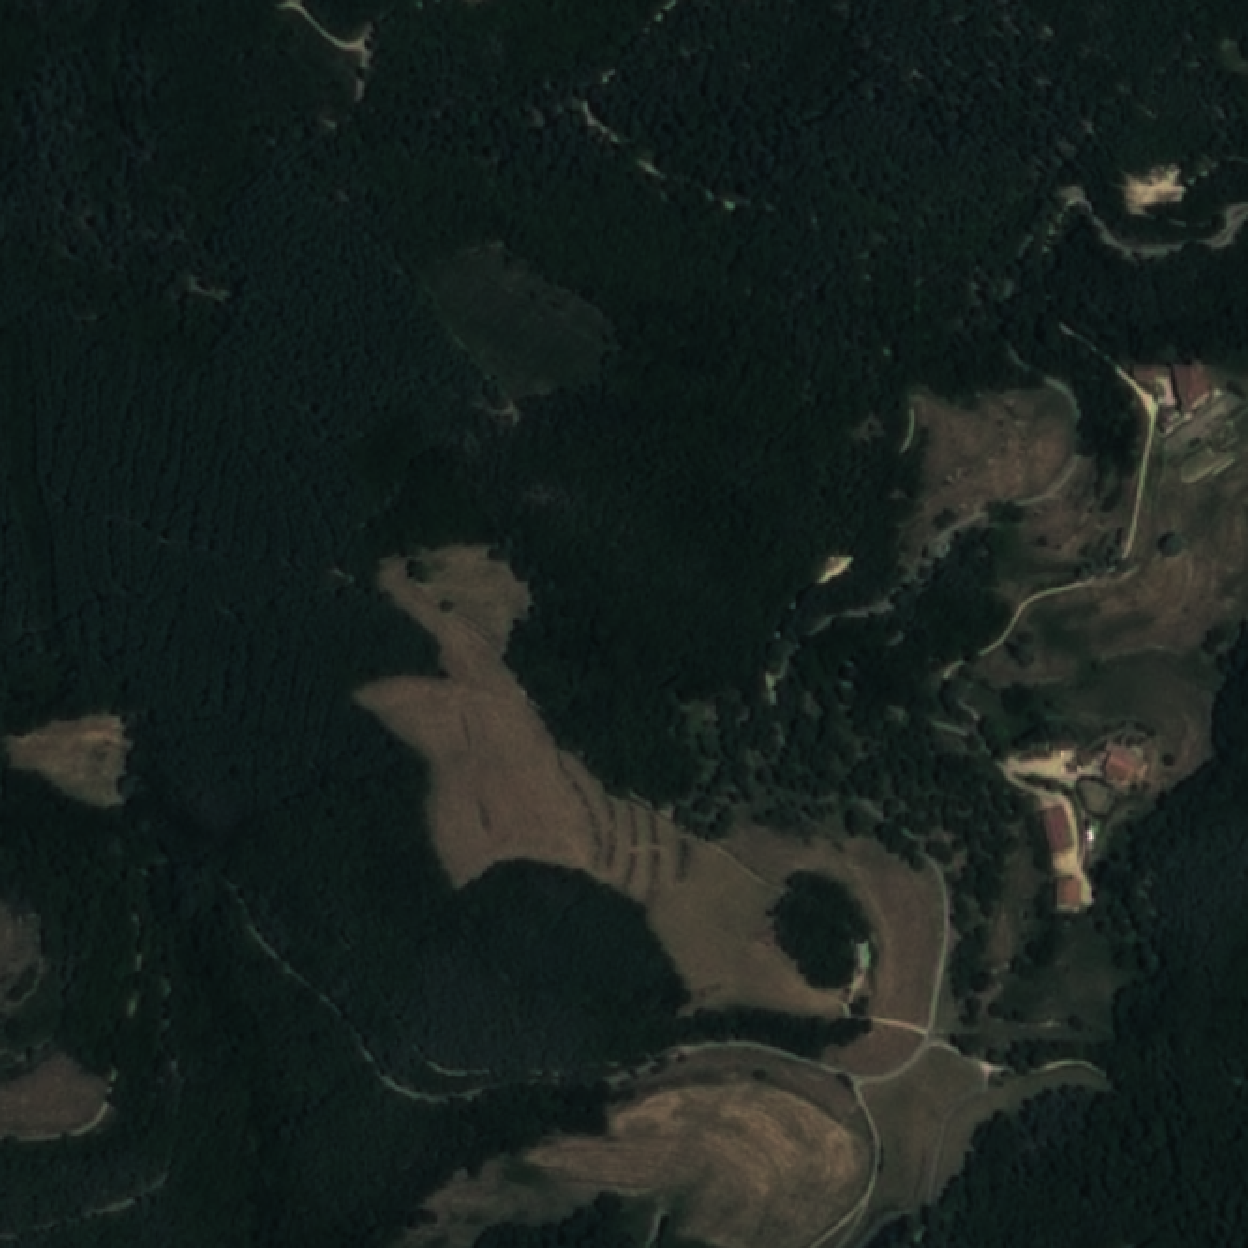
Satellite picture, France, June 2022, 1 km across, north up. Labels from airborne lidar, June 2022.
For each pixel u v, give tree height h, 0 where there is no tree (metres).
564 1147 0
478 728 0
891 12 22
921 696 16
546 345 0
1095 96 19
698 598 19
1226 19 16
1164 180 0
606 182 31
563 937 18
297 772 24
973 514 0
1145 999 21
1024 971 19
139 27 18
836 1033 11
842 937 14
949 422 0
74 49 15
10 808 19
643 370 11
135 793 17
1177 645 0
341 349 24
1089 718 0
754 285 15
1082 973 0
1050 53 8
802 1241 0
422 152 17
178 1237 16
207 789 17
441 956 13
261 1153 12
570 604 19
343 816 21
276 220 23
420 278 18
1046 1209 20
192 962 18
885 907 0
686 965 0
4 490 24
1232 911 13
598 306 16
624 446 17
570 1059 12
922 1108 0
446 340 28
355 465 19
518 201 20
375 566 15
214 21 11
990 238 18
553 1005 12
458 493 14
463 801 0
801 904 12
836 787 21
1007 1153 17
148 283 14
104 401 24
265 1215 14
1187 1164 20
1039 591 6
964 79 21
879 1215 0
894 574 13
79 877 19
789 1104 0
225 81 14
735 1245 0
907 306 16
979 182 19
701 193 23
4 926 0
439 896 17
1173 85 16
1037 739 14
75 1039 12
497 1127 17
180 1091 14
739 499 21
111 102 21
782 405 14
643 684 20
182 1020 19
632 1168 0
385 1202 14
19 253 17
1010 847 12
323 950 13
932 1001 0
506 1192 0
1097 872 11
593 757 14
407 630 19
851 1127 0
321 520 26
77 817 29
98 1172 17
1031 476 0
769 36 11
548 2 9
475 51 11
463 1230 0
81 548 25
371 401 25
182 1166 17
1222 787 22
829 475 12
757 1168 0
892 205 24
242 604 22
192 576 27
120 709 13
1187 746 0
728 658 20
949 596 22
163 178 16
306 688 27
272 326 28
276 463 20
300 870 20
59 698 7
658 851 0
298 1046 17
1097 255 23
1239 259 14
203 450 24
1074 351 8
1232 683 10
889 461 16
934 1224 17
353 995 14
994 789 15
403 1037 11
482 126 23
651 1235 0
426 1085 10
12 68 14
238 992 18
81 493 26
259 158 16
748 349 16
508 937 20
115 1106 13
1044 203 15
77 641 28
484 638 0
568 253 20
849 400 16
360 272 31
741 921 0
